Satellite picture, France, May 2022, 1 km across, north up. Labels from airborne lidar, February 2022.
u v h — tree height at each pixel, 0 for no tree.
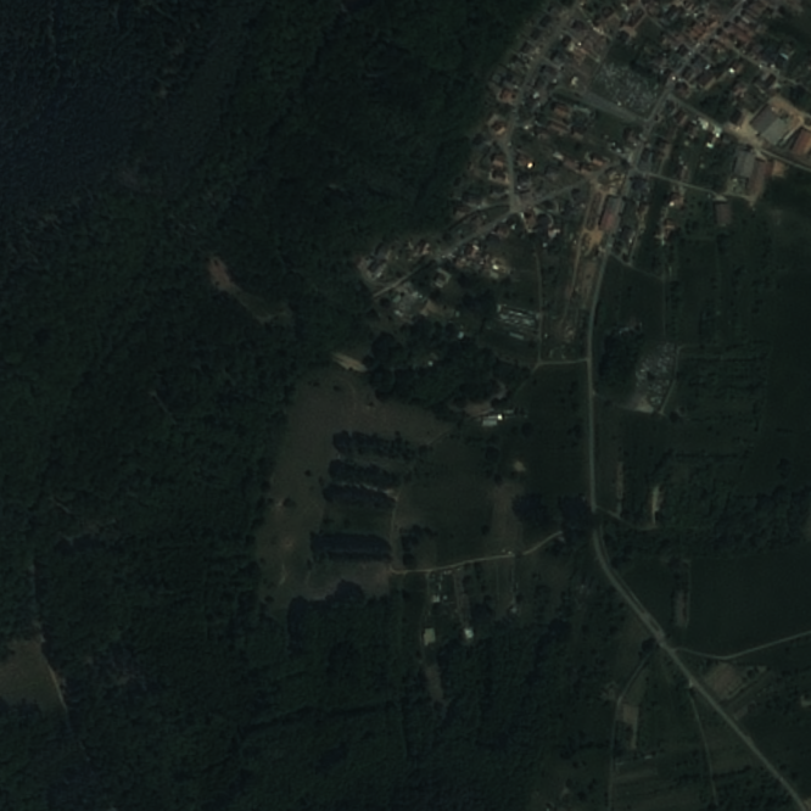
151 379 32
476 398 13
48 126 23
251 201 31
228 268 30
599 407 0
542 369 0
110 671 35
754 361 8
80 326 27
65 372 32
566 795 0
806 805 0
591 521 32
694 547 6
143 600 28
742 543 20
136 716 33
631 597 0
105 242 31
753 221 0
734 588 0
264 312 0
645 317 0
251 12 26
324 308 26
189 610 14
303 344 27
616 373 13
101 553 30
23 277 16
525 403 0
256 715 26
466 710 25
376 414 0
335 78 32
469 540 0
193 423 32
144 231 24
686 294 0
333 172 32
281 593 0
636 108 0
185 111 24
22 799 31
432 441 0
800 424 0
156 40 18
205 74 26
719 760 0
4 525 23
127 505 29
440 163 24
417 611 0
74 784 25
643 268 0
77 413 32
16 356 29
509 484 0
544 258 0
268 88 29
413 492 0
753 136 0
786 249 0
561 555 15
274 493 0
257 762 23
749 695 0
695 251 0
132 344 34
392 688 24
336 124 33
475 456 0
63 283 27
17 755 26
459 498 0
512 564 0
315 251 27
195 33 17
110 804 25
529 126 0
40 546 31
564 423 0
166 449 28
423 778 28
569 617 13
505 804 24
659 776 0
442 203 25
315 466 0
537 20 0
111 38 21
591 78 0
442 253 0
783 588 0
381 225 24
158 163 19
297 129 24
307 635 31
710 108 11
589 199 0
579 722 0
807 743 0
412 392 21
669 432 0
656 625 0
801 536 20
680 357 0
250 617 25
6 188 26
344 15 29
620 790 0
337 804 26
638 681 0
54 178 24
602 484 0
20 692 0
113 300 23
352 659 29
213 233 26
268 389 29
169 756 30
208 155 26
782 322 0
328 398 0
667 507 6
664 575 0
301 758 30
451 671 22
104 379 32
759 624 0
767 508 17
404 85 34
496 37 24
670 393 0
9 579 30
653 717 0
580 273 0
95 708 29
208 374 31
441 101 31
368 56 30
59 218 16
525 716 23
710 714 0
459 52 32
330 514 0
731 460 6
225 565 20
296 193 32
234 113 28
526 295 0
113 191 24
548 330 0
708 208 7
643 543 9
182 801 28
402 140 28
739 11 0
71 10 26
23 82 22
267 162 28
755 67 0
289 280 31
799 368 0
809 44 0
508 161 0
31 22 26
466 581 10
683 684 6
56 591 30
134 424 32
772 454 0
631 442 0
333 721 21
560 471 0
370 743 25
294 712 22
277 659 31
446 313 0
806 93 15
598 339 0
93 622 30
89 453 29
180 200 23
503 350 0
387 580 0
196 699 8
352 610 26
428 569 0
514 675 19
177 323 36
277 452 14
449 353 19
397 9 32
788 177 0
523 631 15
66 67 26
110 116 22
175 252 26
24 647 0
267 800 24
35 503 30
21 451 28
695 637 0
